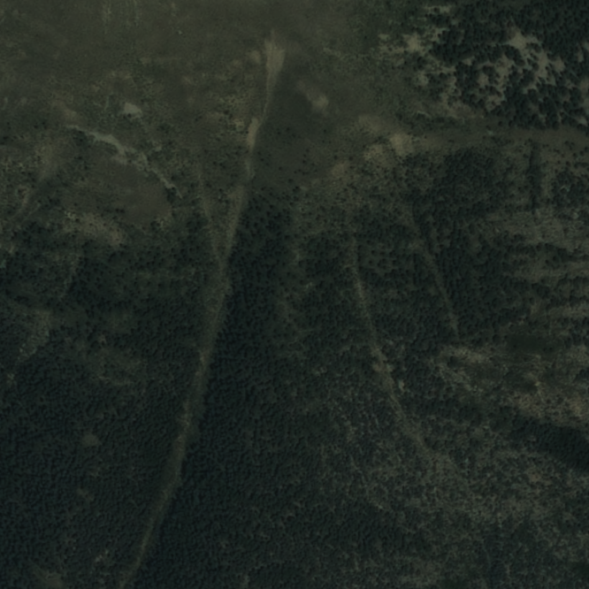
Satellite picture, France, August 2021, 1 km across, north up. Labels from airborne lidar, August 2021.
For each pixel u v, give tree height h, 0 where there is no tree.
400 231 11
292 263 0
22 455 14
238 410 16
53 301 12
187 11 0
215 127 0
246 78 0
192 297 9
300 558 11
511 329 8
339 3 0
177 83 0
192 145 0
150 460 24
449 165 9
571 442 7
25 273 11
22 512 10
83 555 10
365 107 0
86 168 8
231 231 0
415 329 13
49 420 13
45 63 0
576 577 8
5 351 13
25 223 0
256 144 0
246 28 0
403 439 7
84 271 12
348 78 0
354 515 14
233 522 19
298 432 12
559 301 12
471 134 0
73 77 0
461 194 7
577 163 5
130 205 0
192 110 0
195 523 15
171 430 16
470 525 9
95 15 0
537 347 0
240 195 0
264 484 11
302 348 8
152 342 18
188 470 20
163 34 0
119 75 0
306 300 9
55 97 0
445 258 14
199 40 0
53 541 11
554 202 12
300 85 0
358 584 6
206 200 0
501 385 9
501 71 0
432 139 0
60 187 0
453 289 17
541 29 9
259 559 14
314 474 9
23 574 10
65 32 0
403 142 0
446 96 0
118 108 0
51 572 8
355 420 11
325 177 0
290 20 0
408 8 0
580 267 0
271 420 16
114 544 14
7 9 0
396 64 0
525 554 7
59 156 0
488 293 14
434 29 0
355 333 11
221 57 0
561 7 14
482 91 12
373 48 0
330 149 0
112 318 0
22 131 0
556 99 16
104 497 20
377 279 14
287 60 0
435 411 12
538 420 10
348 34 0
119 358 0
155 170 0
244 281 11
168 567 19
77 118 0
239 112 0
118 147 0
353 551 9
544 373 0
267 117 0
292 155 0
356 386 9
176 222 0
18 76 0
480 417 9
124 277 9
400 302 8
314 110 0
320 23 0
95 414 8
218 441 16
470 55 11
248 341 11
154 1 0
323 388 6
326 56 0
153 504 21
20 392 13
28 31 0
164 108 0
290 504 17
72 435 15
